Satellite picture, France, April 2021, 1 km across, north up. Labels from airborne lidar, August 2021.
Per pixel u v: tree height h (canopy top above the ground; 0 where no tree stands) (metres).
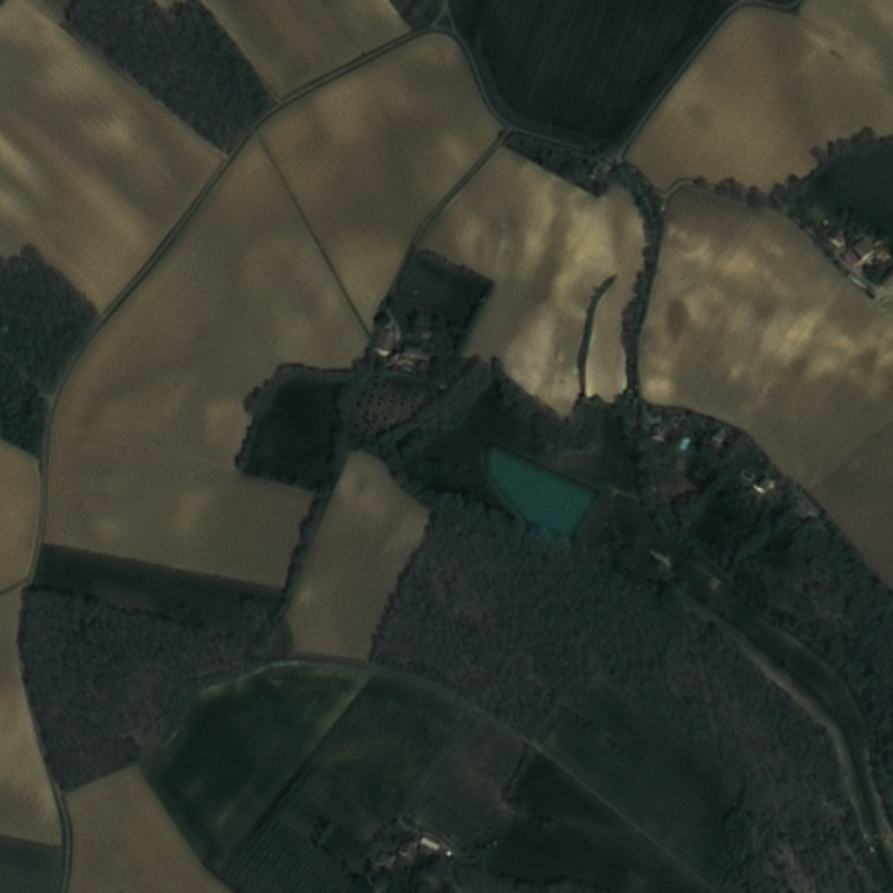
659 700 19
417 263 0
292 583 10
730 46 0
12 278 21
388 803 0
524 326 0
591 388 0
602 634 19
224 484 0
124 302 0
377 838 11
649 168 0
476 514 25
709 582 0
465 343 19
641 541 0
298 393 0
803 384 0
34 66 0
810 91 0
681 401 0
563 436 21
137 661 19
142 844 0
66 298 20
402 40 0
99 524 0
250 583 0
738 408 0
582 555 25
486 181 0
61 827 0
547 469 0
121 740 12
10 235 0
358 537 0
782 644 0
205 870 0
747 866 12
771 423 0
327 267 0
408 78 0
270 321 0
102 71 0
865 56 0
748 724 14
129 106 0
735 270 0
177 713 15
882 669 13
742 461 0
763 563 11
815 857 14
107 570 0
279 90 0
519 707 9
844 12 0
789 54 0
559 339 0
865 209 0
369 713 0
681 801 0
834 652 22
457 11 0
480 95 0
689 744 0
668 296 0
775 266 0
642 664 18
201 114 15
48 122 0
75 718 20
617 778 0
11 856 0
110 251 0
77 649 22
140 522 0
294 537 0
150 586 0
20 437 18
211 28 18
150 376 0
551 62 0
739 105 0
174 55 19
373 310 0
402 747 0
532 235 0
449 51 0
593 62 0
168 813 0
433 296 0
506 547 23
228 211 0
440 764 0
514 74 0
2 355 22
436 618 9
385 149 0
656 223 9
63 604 19
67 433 0
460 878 24
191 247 0
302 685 0
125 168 0
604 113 0
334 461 15
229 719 0
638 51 0
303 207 0
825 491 0
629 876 0
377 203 0
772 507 9
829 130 0
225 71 20
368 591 0
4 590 0
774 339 0
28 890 0
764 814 16
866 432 0
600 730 11
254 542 0
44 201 0
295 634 0
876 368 0
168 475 0
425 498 15
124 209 0
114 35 16
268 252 0
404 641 16
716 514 0
